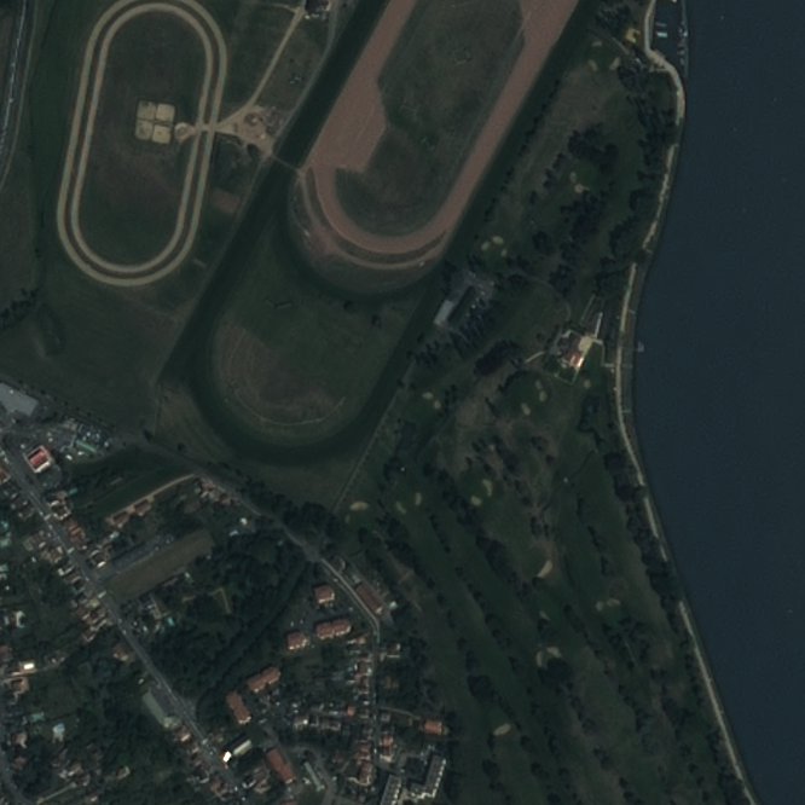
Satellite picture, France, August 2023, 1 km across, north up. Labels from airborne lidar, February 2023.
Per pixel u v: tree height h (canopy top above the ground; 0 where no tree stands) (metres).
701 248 0
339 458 0
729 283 0
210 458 0
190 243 0
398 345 0
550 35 0
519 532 0
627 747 0
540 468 0
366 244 0
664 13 0
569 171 0
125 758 12
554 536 13
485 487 0
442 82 0
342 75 0
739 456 0
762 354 0
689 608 0
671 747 0
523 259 0
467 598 0
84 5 0
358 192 0
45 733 0
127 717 10
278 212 0
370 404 0
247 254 0
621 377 0
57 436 0
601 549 22
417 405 0
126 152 0
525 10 0
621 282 24
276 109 0
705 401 0
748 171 0
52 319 0
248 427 0
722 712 0
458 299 0
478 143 0
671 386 0
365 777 0
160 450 0
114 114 0
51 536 0
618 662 0
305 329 0
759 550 0
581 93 0
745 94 0
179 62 0
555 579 0
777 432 0
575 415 0
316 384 0
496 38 0
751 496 0
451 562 0
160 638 10
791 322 0
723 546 0
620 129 0
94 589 0
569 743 0
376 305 0
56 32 0
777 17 0
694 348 0
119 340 0
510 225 0
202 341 0
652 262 0
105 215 0
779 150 0
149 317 0
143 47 0
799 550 0
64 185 0
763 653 0
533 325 0
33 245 0
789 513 0
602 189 0
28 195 0
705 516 0
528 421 0
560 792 0
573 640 0
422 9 0
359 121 0
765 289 0
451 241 0
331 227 0
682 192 0
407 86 0
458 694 0
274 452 0
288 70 0
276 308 0
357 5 0
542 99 0
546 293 0
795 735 0
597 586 0
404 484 0
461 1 0
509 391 12
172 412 0
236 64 0
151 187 0
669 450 0
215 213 0
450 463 0
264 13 0
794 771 0
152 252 0
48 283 0
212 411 0
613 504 0
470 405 0
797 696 0
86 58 0
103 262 0
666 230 0
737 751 0
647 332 0
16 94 0
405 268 0
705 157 0
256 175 0
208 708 13
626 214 0
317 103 0
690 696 0
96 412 0
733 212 0
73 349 0
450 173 0
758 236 0
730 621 0
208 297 0
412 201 0
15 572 5
